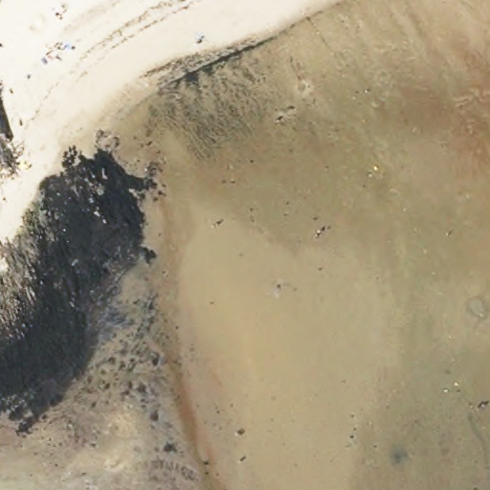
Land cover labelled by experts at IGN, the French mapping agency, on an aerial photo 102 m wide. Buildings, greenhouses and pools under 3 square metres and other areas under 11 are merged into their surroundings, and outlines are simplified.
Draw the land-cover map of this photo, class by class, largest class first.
<instances>
[{"label":"bare soil","instance_id":"1","mask_svg":"<svg viewBox=\"0 0 490 490\"><path fill-rule=\"evenodd\" d=\"M0 98L13 132V147L25 144L23 155L17 159L15 176L8 180H0V323L17 320V301L13 299V293L21 291V279H33L34 276L33 262L38 255V249L36 241H33L31 234L21 224H25L33 232L42 222H46V211L38 186L46 176H54L63 170V153L69 147H77V151L88 159H92L98 151H107L113 155L115 163L124 168L126 174L138 178L145 176L147 180L155 182V188L145 191V201L140 205V211L144 212L145 218L142 243L155 253V258L147 262L144 256H138V264L122 279L121 293L113 297L107 308L100 312L96 329L98 346L92 360L88 362L86 371L71 383V387L65 392V398L57 406L48 408V412L40 415V421L33 425L31 433H17V421L10 419V413H0V490H490V0H0Z\"/></svg>","mask_w":490,"mask_h":490},{"label":"herbaceous vegetation","instance_id":"2","mask_svg":"<svg viewBox=\"0 0 490 490\"><path fill-rule=\"evenodd\" d=\"M46 211V222H42L33 232L25 224H21L31 234L33 241H36L38 249V255L33 262L34 276L33 279H21V291L13 293V299L17 301V320L0 323V413H10V419L17 421V433H31L33 425L40 421V415L48 412V408L57 406L65 398V392L71 387V383L86 371L88 362L92 360L98 346L96 329L100 312L107 308L113 297L121 293L122 279L138 264V256H144L147 262L155 258V253L142 243L145 218L144 212L140 211V205L145 201V191L155 188V182L147 180L145 176L138 178L126 174L124 168L115 163L113 155L107 151H98L92 159H88L77 151V147H69L63 153V170L54 176H46L38 186Z\"/></svg>","mask_w":490,"mask_h":490},{"label":"impervious surface","instance_id":"3","mask_svg":"<svg viewBox=\"0 0 490 490\"><path fill-rule=\"evenodd\" d=\"M13 132L0 98V180H8L15 176L17 159L23 155L25 144L13 147Z\"/></svg>","mask_w":490,"mask_h":490}]
</instances>
